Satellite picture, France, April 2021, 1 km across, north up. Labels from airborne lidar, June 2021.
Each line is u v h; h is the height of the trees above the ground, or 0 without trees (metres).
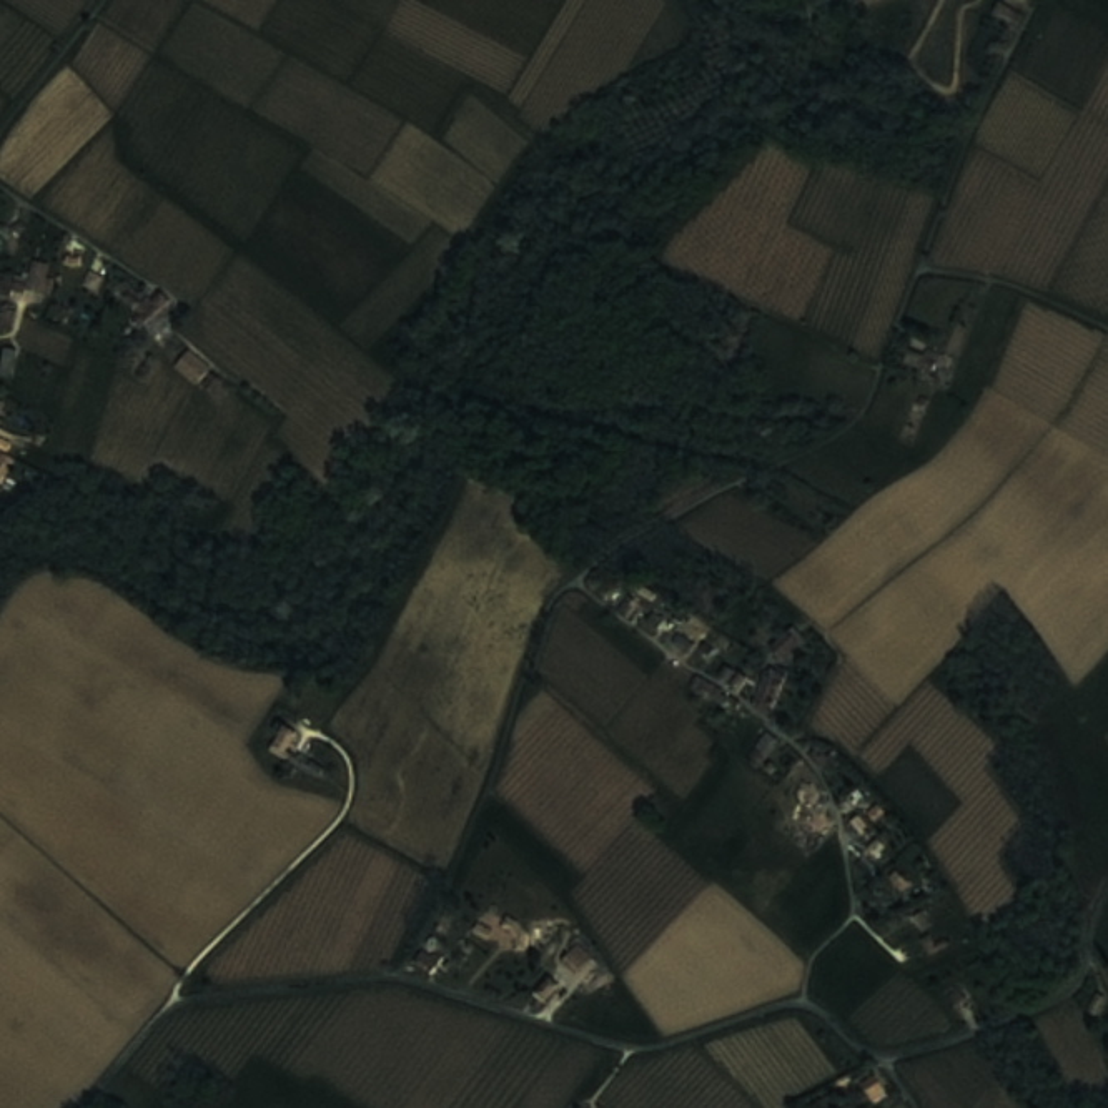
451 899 19
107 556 20
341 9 0
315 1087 0
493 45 0
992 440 0
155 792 0
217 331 0
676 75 9
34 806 0
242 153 0
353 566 19
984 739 0
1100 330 0
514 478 26
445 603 0
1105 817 0
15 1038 0
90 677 0
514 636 0
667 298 18
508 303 15
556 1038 0
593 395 18
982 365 0
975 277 0
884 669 0
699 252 0
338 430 0
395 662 0
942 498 0
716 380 19
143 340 14
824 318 0
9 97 0
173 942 0
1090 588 0
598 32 0
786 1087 0
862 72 23
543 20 0
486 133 0
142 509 17
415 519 18
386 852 0
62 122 0
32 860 0
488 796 0
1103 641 0
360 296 0
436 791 0
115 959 0
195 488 14
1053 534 0
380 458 28
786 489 6
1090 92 0
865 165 17
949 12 0
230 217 0
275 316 0
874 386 0
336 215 0
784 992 0
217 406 0
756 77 23
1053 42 0
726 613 18
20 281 0
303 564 25
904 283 0
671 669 0
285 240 0
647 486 19
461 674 0
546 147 18
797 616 0
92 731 0
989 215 0
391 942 0
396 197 0
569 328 18
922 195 0
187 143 0
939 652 0
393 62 0
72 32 0
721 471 14
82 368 0
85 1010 0
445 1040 0
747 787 0
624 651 0
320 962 0
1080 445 0
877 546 0
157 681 0
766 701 0
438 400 21
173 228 0
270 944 0
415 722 0
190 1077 18
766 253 0
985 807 0
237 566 26
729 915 0
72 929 0
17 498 10
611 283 15
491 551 0
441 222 0
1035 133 0
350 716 0
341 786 0
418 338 18
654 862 0
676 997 0
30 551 24
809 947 0
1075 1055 0
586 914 0
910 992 0
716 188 14
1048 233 0
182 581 22
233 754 0
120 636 0
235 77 0
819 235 0
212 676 0
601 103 12
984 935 18
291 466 15
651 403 18
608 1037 0
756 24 26
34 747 0
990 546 0
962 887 0
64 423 0
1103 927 0
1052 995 20
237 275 0
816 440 6
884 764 0
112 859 0
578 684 0
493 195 0
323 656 13
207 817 0
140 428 0
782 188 0
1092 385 0
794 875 0
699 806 0
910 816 0
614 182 20
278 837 0
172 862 0
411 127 0
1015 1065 15
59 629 0
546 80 0
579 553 17
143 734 0
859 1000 0
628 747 0
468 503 0
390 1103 0
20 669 0
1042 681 20
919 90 13
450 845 0
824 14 18
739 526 0
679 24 0
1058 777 11
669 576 12
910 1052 0
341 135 0
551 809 0
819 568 0
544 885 0
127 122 0
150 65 0
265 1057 0
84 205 0
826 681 13
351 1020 0
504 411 20
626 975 0
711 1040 0
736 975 0
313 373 0
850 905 0
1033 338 0
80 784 0
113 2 0
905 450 0
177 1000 0
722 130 16
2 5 0
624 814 0
